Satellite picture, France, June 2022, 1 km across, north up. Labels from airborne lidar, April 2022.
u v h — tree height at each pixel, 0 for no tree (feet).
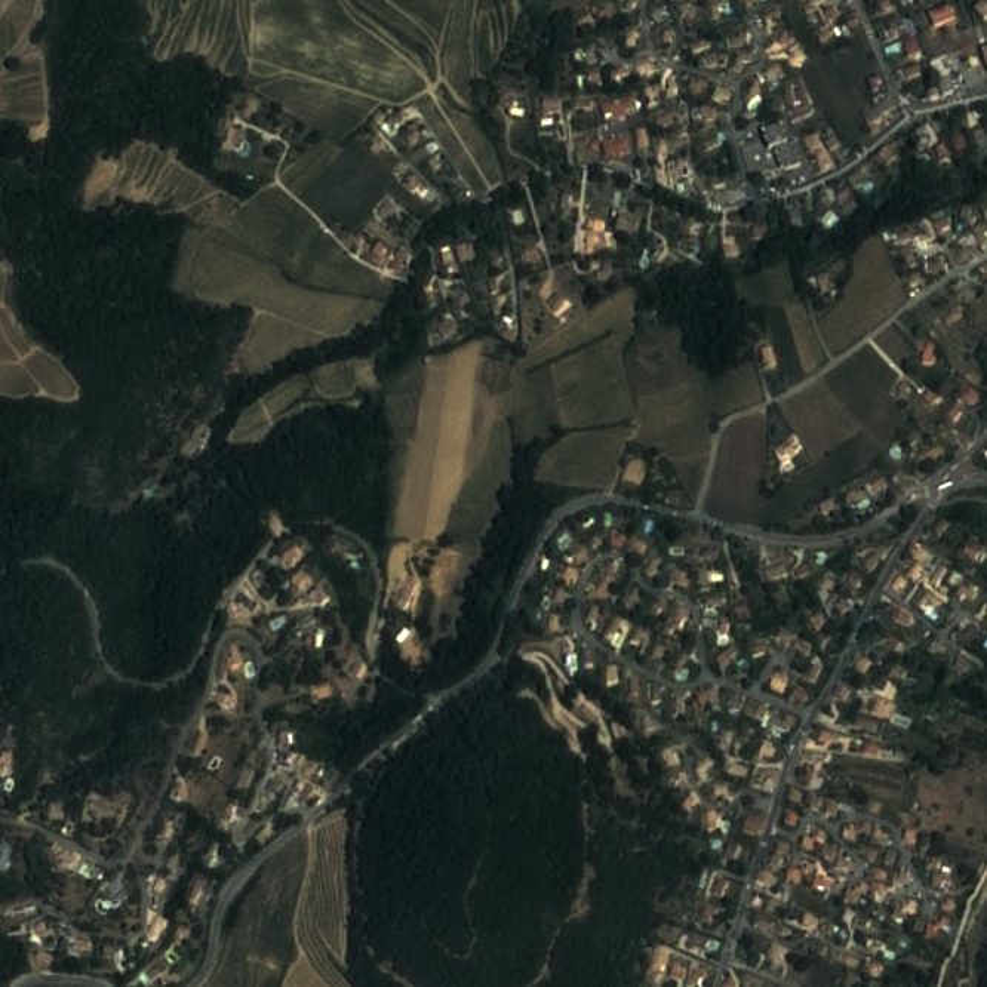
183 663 26
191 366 31
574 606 33
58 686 25
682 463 0
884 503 27
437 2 0
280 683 26
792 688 20
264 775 29
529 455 68
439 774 44
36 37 33
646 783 52
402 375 0
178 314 42
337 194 0
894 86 0
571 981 32
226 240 0
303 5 0
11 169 0
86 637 30
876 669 24
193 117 32
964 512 23
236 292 0
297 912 0
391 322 62
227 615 25
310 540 30
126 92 44
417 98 0
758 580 19
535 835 32
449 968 34
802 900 0
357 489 50
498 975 24
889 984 29
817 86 0
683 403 0
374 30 0
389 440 47
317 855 0
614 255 39
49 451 19
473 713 26
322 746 23
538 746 47
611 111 0
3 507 76
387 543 27
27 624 23
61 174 35
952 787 0
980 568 21
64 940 28
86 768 29
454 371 0
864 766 0
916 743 0
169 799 26
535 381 0
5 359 0
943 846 30
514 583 38
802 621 46
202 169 23
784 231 18
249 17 0
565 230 22
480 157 0
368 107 0
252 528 23
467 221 51
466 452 0
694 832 31
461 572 0
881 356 0
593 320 0
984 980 25
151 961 19
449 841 41
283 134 21
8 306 0
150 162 0
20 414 39
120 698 25
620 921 21
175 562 34
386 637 37
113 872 29
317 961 0
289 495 31
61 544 31
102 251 31
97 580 25
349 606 23
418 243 34
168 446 41
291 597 29
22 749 22
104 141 22
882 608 24
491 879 26
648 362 0
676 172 0
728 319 45
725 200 0
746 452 0
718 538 47
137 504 39
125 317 31
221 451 41
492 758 43
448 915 30
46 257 40
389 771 53
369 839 47
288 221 0
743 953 48
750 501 0
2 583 35
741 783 26
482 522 0
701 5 37
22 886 25
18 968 52
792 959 45
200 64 32
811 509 31
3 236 26
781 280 0
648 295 34
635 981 28
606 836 23
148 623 31
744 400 0
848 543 36
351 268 0
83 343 37
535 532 42
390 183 0
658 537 34
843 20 29
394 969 28
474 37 0
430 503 0
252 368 0
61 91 27
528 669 58
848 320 0
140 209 43
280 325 0
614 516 23
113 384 23
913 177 25
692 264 38
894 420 0
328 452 42
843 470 0
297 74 0
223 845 31
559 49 52
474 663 29
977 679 45
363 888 32
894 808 0
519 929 23
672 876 25
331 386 0
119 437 30
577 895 32
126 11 28
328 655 27
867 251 0
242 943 0
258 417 0
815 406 0
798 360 0
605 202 0
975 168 23
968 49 0
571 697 42
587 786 40
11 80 0
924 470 38
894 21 0
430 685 35
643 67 0
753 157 0
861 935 28
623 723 43
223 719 22
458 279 44
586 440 0
